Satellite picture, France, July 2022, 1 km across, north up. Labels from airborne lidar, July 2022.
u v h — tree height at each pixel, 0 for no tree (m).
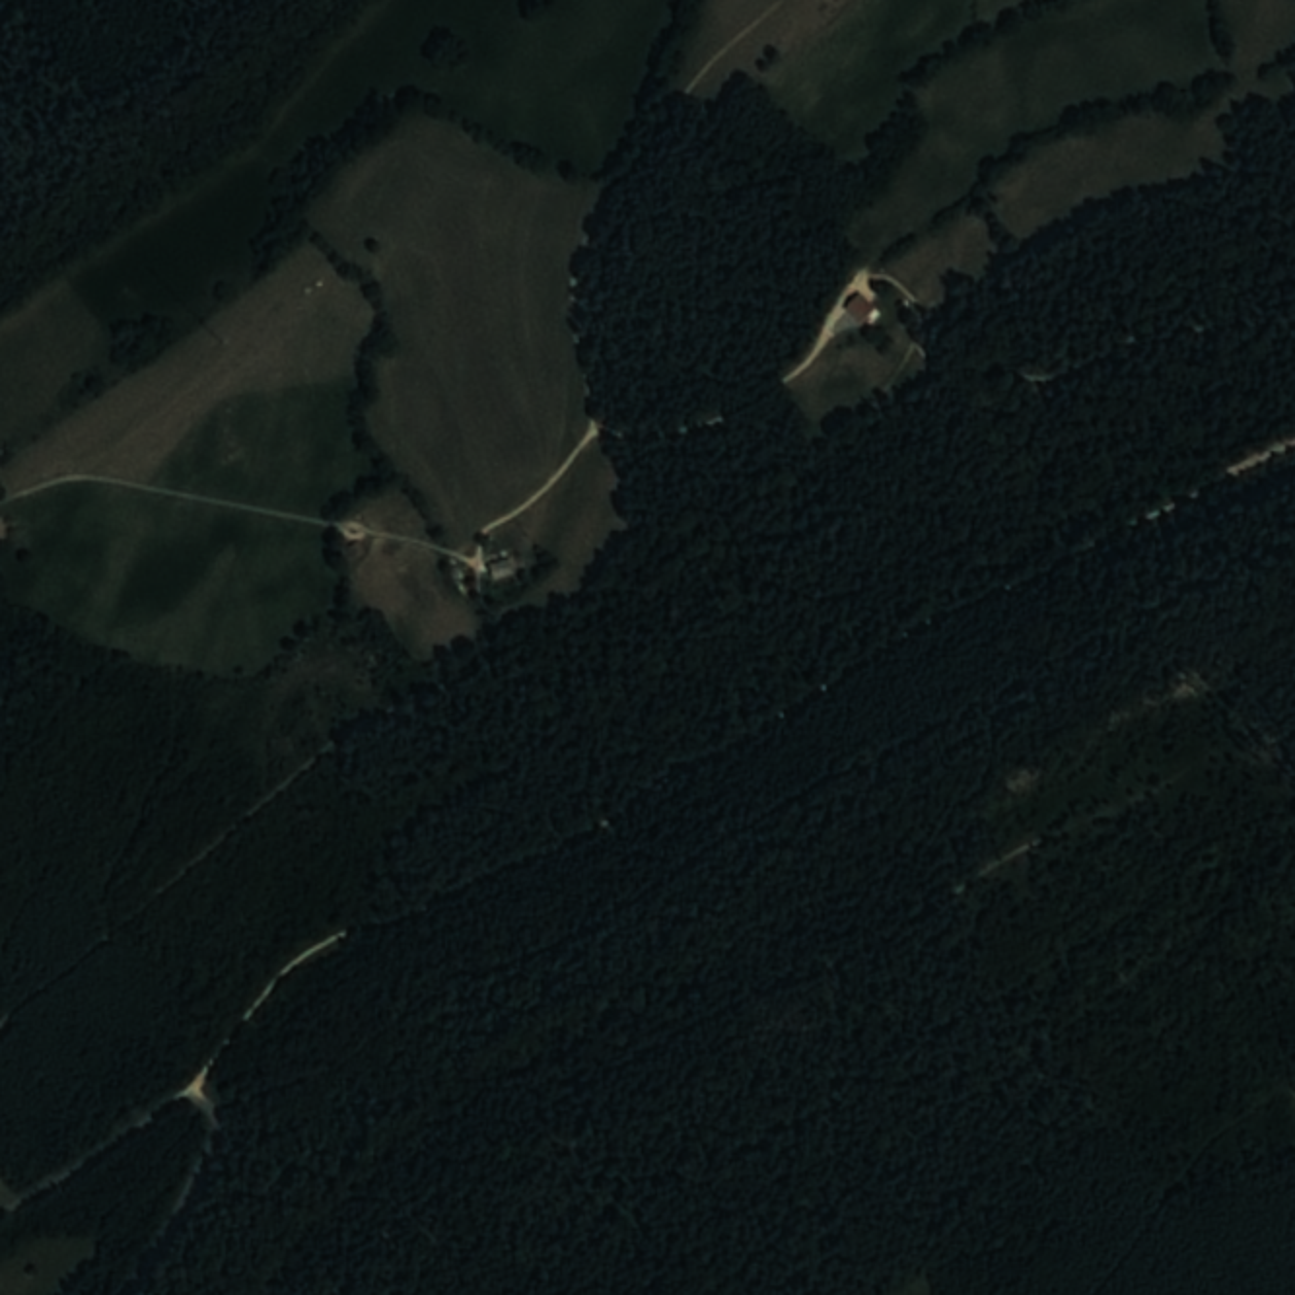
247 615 0
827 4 0
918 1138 30
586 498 0
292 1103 19
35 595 0
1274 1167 16
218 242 0
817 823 17
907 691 21
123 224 22
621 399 17
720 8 0
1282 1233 18
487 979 23
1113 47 0
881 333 13
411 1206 23
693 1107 28
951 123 0
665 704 27
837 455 25
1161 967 7
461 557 0
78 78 11
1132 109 15
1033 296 32
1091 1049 18
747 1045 25
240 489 0
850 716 18
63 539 0
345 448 0
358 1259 28
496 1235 24
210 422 0
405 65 0
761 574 15
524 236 0
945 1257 22
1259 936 17
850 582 30
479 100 0
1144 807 12
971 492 24
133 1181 19
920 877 27
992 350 28
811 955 24
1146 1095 6
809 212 22
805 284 25
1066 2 16
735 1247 30
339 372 0
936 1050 30
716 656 26
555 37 0
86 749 15
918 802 20
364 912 9
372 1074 12
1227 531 32
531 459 0
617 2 0
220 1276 19
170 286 0
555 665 16
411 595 0
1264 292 28
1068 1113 31
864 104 0
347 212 0
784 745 18
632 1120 36
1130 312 29
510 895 16
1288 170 29
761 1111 26
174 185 20
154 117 19
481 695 25
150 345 15
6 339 0
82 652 6
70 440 0
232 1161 17
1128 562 34
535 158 21
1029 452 28
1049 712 19
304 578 0
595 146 0
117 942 10
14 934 10
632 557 26
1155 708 7
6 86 20
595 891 16
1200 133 0
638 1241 32
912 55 0
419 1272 13
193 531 0
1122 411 30
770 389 21
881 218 0
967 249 0
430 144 0
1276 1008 9
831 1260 33
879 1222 36
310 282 0
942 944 28
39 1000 14
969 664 22
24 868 7
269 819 9
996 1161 34
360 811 7
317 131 0
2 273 23
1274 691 35
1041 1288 20
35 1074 16
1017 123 0
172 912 9
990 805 23
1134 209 30
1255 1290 18
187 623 0
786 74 0
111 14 11
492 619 16
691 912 16
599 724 28
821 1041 21
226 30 16
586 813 34
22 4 9
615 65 0
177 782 9
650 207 25
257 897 9
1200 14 0
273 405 0
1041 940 15
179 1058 15
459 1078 12
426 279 0
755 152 19
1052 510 33
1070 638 23
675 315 22
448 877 33
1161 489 5
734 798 21
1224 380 30
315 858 11
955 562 27
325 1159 22
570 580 0
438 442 0
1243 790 7
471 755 10
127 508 0
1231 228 26
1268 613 20
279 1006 7
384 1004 23
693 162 26
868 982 21
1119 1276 22
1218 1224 19
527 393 0
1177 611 23
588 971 17
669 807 20
